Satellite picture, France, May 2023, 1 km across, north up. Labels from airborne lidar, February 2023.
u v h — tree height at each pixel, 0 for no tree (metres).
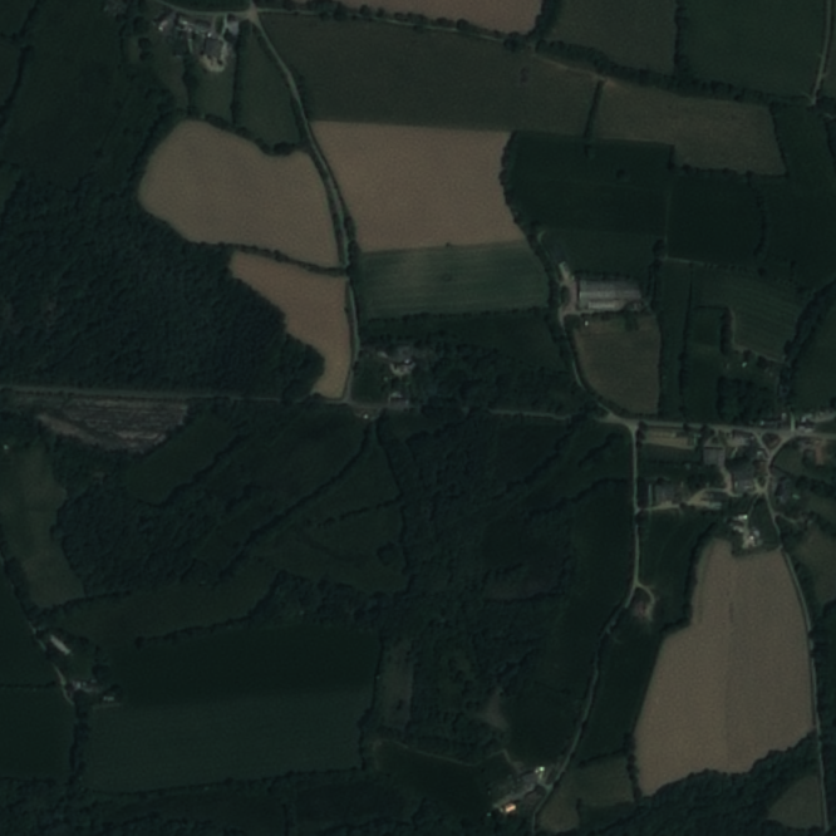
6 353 10
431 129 0
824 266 0
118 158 0
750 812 16
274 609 15
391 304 0
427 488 12
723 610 0
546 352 0
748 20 0
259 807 0
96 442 0
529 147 0
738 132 0
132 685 0
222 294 13
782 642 0
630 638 0
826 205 0
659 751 0
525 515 6
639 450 9
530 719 0
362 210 0
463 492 11
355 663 0
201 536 15
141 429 0
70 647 14
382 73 0
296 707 0
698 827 19
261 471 0
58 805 14
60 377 12
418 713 14
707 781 13
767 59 0
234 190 0
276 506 13
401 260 0
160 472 0
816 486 11
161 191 0
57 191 12
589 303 0
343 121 0
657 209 0
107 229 10
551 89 0
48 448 10
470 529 11
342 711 0
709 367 0
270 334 30
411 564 16
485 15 0
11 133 0
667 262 0
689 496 0
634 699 0
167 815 0
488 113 0
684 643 0
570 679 0
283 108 0
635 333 0
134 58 0
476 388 22
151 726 0
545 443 0
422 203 0
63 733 0
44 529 0
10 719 0
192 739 0
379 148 0
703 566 0
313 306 0
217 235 0
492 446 16
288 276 0
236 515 12
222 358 18
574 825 0
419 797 0
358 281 10
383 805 0
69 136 0
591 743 0
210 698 0
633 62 0
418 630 17
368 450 10
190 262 8
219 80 0
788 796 0
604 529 0
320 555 0
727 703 0
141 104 0
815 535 0
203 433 0
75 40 0
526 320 0
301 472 0
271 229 0
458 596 9
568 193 0
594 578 0
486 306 0
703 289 0
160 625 0
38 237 17
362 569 0
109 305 8
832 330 0
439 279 0
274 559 0
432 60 0
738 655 0
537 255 10
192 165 0
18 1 0
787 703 0
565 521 15
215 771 0
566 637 0
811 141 0
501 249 0
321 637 0
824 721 11
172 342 14
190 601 0
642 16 0
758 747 0
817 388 0
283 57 0
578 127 0
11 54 0
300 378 15
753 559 0
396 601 13
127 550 17
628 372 0
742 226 0
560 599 14
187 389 9
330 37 0
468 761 15
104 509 25
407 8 0
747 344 0
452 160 0
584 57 8
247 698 0
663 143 0
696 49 0
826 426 0
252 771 0
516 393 7
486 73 0
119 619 0
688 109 0
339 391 0
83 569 20
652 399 0
